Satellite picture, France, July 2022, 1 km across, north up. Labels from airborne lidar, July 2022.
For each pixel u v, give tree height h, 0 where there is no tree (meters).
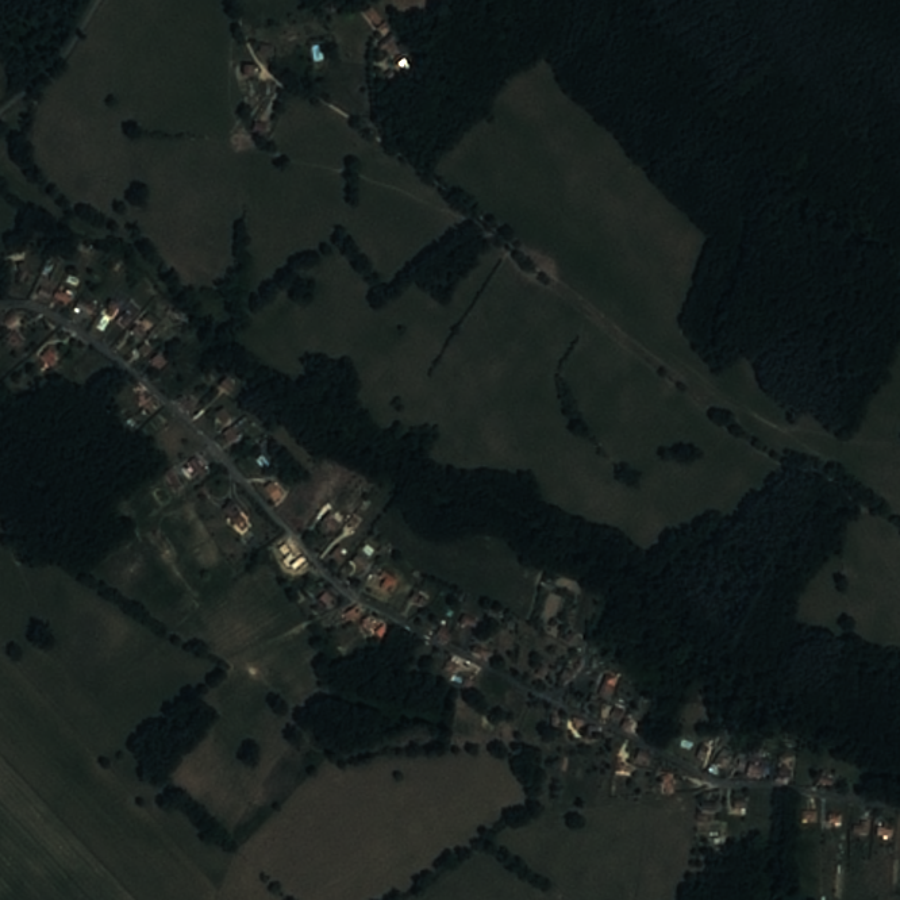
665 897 0
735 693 16
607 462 0
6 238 13
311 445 18
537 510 19
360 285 0
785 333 24
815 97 11
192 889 0
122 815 0
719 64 14
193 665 0
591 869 0
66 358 10
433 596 0
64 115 0
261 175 0
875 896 0
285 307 0
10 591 0
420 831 0
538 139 0
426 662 14
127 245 9
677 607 26
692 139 16
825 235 28
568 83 17
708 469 0
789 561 21
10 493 23
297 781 0
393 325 0
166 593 0
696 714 0
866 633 0
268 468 11
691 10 16
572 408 10
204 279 0
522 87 0
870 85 12
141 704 0
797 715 23
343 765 11
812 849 0
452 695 17
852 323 24
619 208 0
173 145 0
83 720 0
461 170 0
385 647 12
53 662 0
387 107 22
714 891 20
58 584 0
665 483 0
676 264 0
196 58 0
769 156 8
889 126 12
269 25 6
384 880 0
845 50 12
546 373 0
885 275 31
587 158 0
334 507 0
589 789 0
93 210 14
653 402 0
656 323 0
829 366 26
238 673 0
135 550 0
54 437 17
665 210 0
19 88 14
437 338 0
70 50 0
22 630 0
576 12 18
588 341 0
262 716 0
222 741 0
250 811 0
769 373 25
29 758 0
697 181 18
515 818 19
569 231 0
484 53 19
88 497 18
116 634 0
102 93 0
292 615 0
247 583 0
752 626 22
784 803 17
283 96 16
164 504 0
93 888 0
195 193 0
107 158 0
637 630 16
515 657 8
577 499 0
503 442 0
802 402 24
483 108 18
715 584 27
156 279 0
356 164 16
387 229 0
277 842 0
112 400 15
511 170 0
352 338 0
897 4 10
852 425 22
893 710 19
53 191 16
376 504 0
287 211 0
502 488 20
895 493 0
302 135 0
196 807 22
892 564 0
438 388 0
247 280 9
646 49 21
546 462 0
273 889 11
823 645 25
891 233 10
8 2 18
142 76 0
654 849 0
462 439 0
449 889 0
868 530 0
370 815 0
